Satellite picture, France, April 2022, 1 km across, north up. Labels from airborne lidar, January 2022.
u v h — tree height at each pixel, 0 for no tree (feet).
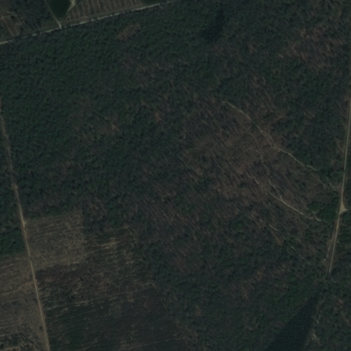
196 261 87
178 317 83
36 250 0
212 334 82
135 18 55
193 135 0
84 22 0
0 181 72
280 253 79
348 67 78
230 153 0
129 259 0
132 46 74
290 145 93
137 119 60
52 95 81
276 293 78
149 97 81
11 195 67
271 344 59
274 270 74
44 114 77
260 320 71
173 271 79
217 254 65
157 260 78
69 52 73
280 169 0
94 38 72
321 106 74
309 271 78
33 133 62
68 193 77
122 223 88
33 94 79
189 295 78
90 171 59
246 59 70
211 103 48
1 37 71
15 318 0
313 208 0
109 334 26
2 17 66
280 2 77
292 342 60
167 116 80
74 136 73
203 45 81
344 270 87
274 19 78
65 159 83
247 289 87
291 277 77
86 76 74
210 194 82
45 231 0
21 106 71
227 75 86
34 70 88
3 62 82
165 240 95
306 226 0
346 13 78
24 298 0
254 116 102
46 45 77
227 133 103
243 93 84
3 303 0
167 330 20
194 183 97
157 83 77
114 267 0
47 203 81
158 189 94
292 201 0
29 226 0
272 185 0
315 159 89
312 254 93
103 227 67
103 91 82
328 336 87
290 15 88
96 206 87
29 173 73
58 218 0
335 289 76
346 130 66
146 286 0
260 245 84
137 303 20
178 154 88
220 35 48
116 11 0
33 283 0
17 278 0
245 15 86
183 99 77
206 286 78
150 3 0
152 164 95
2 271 0
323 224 0
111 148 79
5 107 60
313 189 0
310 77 89
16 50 58
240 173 0
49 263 0
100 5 0
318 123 84
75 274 22
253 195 0
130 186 89
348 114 68
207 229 90
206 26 49
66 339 21
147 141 80
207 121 89
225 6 77
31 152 73
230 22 63
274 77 77
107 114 86
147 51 87
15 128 66
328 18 85
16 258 0
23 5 73
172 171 86
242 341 67
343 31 85
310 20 82
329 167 81
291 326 54
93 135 71
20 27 0
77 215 0
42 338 0
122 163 86
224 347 81
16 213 77
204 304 78
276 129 95
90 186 72
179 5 85
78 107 79
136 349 20
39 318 0
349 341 80
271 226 86
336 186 91
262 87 94
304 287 79
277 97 82
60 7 0
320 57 88
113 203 82
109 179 71
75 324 21
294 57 81
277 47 79
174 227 86
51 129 72
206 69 68
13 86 87
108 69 59
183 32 80
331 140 78
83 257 0
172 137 94
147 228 79
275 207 99
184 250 105
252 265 84
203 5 79
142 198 93
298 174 0
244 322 70
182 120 88
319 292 50
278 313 78
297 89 81
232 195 0
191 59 82
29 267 0
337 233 0
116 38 78
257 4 70
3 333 0
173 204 86
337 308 88
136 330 22
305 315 51
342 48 88
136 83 80
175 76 67
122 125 94
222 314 71
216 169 98
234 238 92
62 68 79
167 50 74
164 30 83
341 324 81
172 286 88
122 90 80
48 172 78
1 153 78
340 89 74
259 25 76
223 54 79
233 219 69
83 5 0
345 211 0
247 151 0
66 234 0
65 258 0
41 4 68
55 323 20
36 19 62
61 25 0
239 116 0
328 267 0
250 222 93
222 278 68
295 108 89
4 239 65
